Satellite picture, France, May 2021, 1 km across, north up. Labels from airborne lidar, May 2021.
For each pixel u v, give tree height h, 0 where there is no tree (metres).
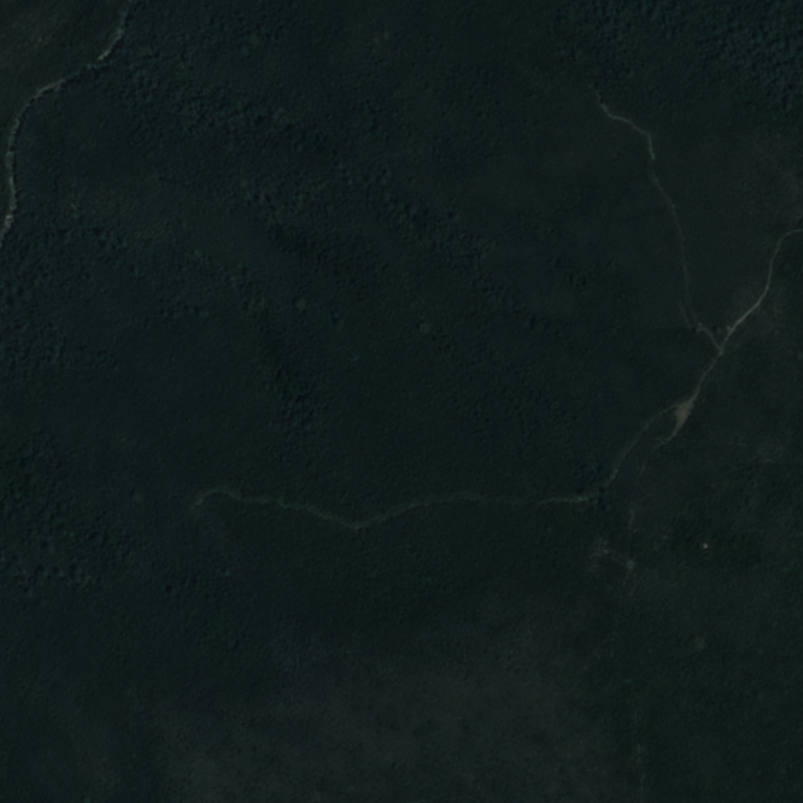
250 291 16
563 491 6
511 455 7
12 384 10
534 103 6
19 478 11
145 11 12
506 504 6
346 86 11
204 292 9
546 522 7
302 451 7
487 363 7
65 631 6
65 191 7
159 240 10
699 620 6
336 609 6
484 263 10
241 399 5
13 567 14
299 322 10
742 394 6
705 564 8
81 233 12
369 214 10
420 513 6
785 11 13
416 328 7
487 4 7
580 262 6
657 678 8
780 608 9
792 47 19
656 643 7
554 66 12
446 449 7
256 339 7
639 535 6
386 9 6
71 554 9
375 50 9
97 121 7
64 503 12
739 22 16
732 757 8
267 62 6
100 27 7
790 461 8
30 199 7
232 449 6
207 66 8
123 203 8
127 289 5
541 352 7
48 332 8
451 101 8
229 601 6
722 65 8
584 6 15
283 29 14
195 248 8
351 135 16
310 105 8
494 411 7
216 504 6
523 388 8
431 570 8
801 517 10
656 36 8
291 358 12
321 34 8
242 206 19
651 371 7
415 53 7
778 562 10
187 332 6
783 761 8
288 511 7
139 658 7
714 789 7
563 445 6
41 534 10
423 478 6
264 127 20
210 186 16
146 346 6
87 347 10
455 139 8
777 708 6
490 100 7
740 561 9
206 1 5
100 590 7
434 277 5
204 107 28
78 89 11
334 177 13
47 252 7
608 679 5
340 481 11
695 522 11
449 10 8
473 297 8
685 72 7
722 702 6
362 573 8
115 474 8
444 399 7
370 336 7
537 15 8
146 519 8
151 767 6
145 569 6
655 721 9
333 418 7
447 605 6
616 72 12
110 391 6
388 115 16
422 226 15
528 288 6
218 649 8
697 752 5
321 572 7
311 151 22
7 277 8
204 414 6
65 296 7
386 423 6
